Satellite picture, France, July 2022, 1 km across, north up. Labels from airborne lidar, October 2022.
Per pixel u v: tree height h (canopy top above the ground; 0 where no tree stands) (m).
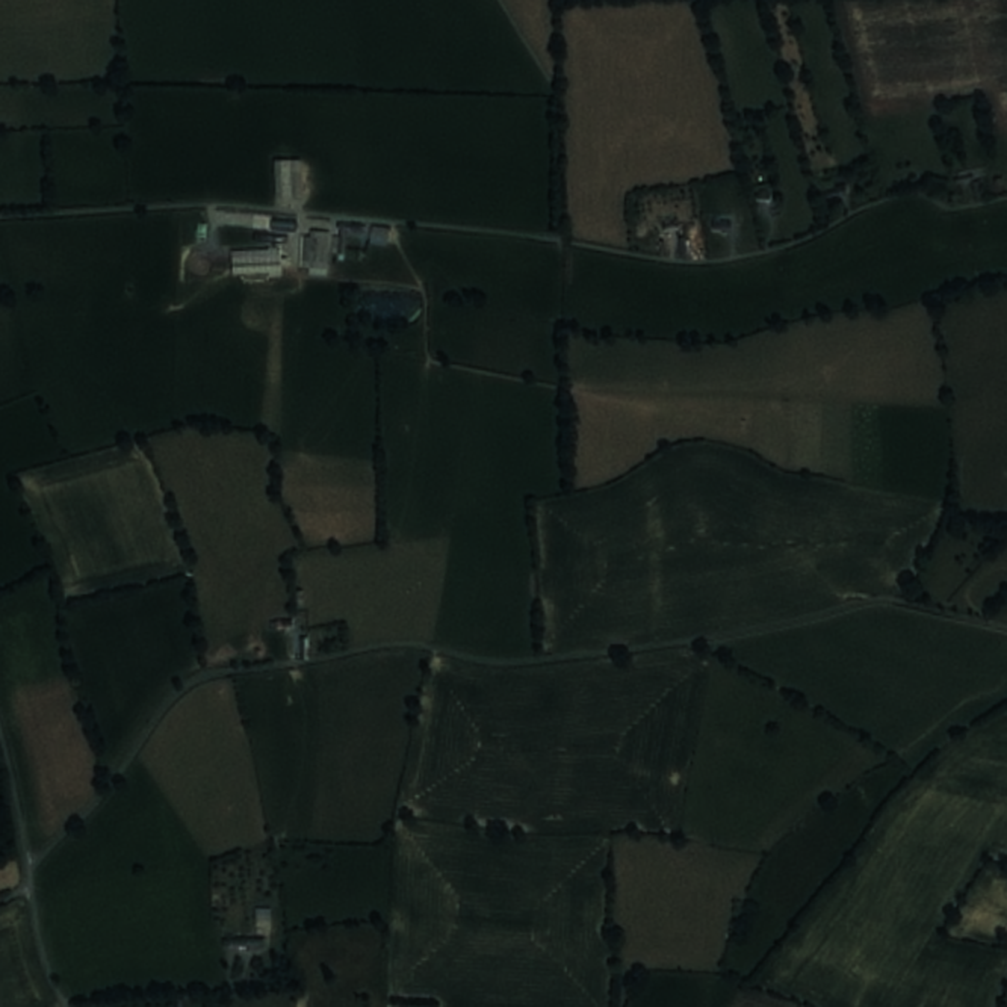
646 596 0
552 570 0
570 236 14
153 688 0
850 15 0
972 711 0
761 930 0
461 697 0
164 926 0
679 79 0
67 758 0
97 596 9
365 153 0
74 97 0
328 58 0
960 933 0
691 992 0
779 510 0
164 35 0
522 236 0
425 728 0
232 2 0
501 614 0
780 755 0
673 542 0
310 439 0
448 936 0
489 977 0
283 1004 0
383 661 0
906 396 0
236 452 0
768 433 0
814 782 0
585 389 0
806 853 0
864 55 0
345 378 0
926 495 0
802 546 0
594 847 0
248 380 0
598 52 0
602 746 0
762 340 0
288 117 0
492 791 0
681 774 0
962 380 0
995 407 0
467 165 0
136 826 0
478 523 0
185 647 0
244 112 0
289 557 8
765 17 17
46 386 0
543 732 0
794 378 0
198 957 0
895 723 0
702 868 0
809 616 0
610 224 0
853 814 0
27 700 0
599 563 0
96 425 0
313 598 0
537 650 14
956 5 0
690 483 0
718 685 0
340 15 0
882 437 0
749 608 0
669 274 0
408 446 0
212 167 0
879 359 0
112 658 0
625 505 0
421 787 0
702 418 0
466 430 0
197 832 0
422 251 0
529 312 0
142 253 0
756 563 0
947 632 0
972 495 0
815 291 0
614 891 6
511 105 0
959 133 11
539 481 0
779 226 0
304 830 0
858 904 0
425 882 0
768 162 14
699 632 0
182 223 0
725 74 10
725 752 0
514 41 0
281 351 0
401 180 0
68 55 0
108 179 0
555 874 0
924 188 14
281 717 0
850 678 0
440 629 0
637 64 0
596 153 0
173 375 0
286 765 0
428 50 0
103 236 0
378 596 0
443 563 0
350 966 0
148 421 0
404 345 0
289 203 0
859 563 0
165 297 0
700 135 0
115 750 0
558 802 0
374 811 0
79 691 8
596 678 0
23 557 0
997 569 0
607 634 0
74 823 16
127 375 0
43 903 0
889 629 0
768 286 0
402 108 0
